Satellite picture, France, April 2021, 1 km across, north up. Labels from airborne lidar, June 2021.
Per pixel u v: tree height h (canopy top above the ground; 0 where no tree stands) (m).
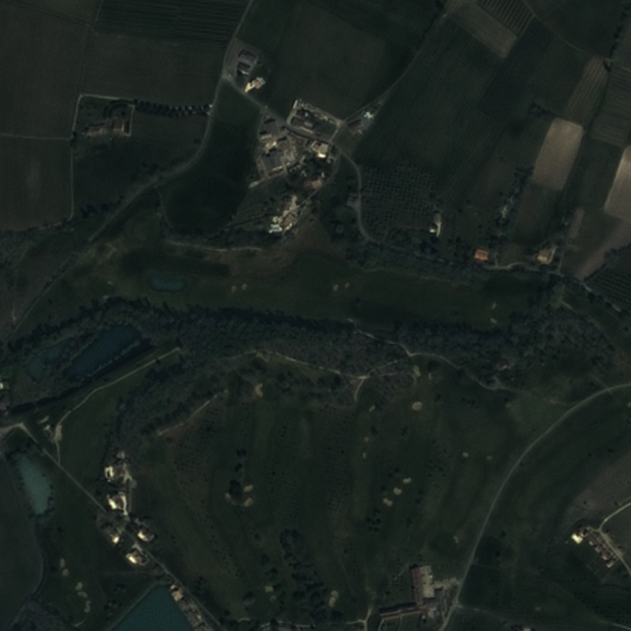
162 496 0
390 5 0
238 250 16
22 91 0
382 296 0
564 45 0
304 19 0
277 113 0
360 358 17
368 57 0
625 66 0
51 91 0
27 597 0
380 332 0
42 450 15
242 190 0
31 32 0
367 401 0
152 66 0
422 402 0
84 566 0
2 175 0
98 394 0
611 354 16
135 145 0
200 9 0
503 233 6
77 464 0
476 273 20
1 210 0
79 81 0
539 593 0
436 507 0
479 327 0
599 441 0
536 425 0
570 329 17
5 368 24
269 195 0
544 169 0
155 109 10
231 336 23
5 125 0
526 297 0
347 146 0
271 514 0
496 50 0
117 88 0
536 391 0
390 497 0
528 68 0
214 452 0
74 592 0
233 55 0
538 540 0
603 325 0
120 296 0
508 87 0
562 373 0
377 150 0
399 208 0
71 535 0
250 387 15
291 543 16
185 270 0
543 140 0
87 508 0
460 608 0
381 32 0
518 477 0
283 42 0
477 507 0
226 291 0
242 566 0
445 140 0
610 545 0
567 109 0
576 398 0
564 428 0
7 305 0
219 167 0
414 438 0
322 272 0
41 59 0
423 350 24
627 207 0
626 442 0
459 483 0
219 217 0
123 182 0
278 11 0
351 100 0
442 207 13
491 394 0
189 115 7
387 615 0
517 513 0
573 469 0
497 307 0
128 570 0
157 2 0
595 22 0
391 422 0
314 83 0
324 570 0
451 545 0
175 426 16
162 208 8
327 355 18
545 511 0
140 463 18
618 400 0
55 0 0
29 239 17
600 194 0
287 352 17
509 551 0
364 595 0
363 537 0
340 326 0
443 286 0
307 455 0
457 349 22
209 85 0
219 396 14
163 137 0
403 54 0
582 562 0
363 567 0
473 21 0
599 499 0
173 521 0
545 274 18
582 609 0
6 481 0
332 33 0
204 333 26
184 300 0
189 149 0
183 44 0
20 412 14
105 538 0
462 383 13
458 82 0
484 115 0
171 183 0
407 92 0
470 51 0
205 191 0
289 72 0
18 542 0
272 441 0
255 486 0
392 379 18
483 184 0
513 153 0
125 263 0
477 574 0
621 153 0
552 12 0
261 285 0
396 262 20
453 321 0
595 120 0
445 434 0
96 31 0
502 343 18
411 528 13
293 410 0
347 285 0
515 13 0
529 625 0
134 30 0
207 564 0
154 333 22
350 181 11
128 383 0
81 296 0
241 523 0
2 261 21
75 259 7
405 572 0
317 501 0
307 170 7
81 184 0
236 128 0
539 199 0
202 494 0
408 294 0
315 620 19
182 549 0
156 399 22
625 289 0
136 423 23
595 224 0
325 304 0
